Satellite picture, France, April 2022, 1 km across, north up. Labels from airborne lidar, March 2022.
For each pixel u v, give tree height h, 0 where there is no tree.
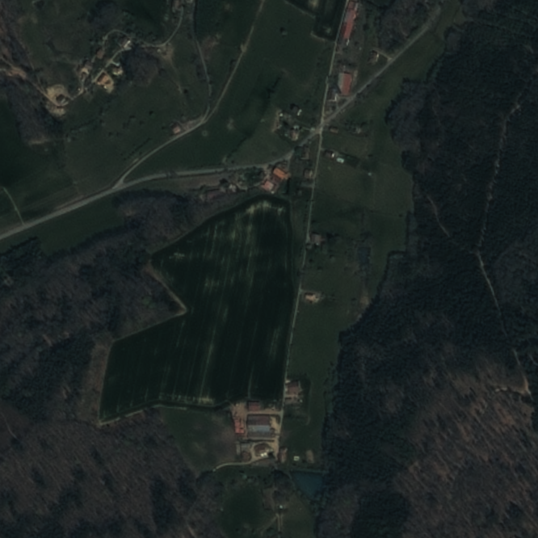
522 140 15
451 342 20
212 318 0
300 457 0
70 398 14
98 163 0
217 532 21
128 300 28
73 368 20
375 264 0
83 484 26
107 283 21
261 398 0
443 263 15
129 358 0
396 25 27
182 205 26
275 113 0
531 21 11
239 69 0
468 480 29
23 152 0
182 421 0
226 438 0
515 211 17
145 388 0
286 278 0
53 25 0
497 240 16
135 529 25
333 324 0
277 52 0
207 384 0
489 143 6
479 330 24
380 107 0
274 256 0
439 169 13
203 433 0
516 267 28
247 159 0
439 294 19
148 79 21
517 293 25
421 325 26
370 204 0
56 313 33
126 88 14
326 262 0
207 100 0
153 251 23
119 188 0
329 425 17
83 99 0
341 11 0
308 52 0
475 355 23
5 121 0
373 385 25
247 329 0
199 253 0
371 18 13
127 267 23
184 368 0
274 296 0
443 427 21
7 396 21
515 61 10
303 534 0
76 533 21
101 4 0
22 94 31
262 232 0
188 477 22
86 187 0
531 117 15
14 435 6
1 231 0
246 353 0
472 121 7
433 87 12
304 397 0
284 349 0
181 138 0
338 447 19
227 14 0
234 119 0
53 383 23
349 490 32
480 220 10
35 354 25
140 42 7
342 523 29
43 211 0
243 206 0
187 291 0
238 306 0
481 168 10
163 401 0
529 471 32
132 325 28
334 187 0
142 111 0
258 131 0
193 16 0
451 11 0
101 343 27
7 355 25
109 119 0
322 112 0
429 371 21
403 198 0
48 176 0
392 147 0
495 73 11
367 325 20
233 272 0
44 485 31
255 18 0
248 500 0
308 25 0
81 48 0
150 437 25
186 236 0
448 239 12
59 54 0
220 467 0
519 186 18
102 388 0
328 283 0
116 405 0
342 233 0
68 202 0
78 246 0
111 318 27
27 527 33
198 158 0
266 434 0
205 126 0
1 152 0
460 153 9
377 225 0
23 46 26
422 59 0
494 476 27
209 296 0
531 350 34
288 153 0
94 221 0
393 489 21
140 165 0
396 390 25
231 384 0
